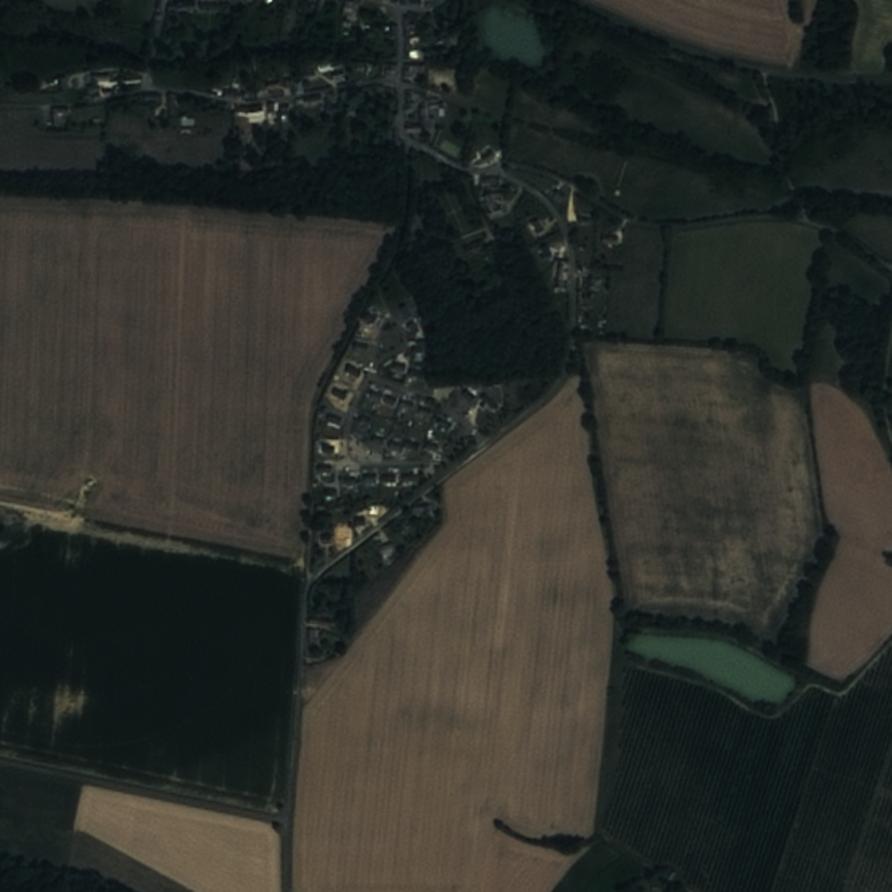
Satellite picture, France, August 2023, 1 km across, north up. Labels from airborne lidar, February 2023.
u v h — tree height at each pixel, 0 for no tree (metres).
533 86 17
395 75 0
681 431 0
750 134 0
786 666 13
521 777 0
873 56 0
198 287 0
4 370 0
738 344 8
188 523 0
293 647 0
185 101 10
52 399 0
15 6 20
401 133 0
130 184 10
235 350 0
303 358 0
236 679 0
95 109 0
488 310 24
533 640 0
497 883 0
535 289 22
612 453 0
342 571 0
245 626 0
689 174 0
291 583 0
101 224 0
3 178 12
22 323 0
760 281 0
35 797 0
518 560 0
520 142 0
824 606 0
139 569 0
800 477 0
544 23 17
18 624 0
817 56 8
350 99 17
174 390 0
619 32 13
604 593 0
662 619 10
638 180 0
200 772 0
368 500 8
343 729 0
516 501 0
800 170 0
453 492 0
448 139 0
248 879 0
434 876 0
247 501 0
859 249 11
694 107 0
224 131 0
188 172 10
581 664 0
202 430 0
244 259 0
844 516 0
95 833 0
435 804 0
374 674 0
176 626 0
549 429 0
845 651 0
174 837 0
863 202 13
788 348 0
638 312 0
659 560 0
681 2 0
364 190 20
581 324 0
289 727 0
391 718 0
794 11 13
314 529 8
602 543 0
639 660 7
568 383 0
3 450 0
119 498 0
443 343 21
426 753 0
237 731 0
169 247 0
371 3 0
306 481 0
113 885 13
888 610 0
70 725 0
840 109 30
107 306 0
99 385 0
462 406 0
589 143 7
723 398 0
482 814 0
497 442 0
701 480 0
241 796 0
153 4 0
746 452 0
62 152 0
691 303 0
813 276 15
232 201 10
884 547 0
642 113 0
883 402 12
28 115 0
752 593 0
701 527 0
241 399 0
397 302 0
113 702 0
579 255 0
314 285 0
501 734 0
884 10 0
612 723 0
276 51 13
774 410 0
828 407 0
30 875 17
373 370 0
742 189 0
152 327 0
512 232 8
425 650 0
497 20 0
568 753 0
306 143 0
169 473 0
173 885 0
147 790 0
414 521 7
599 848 0
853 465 0
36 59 0
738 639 11
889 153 0
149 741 0
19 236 0
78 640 0
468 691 0
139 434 0
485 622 0
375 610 0
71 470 0
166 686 0
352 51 11
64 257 0
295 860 0
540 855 0
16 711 0
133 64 18
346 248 0
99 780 0
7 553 0
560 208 0
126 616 0
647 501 0
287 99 0
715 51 0
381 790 0
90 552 0
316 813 0
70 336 0
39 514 0
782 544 0
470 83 17
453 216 0
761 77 12
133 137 0
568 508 0
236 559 0
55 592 0
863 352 20
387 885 0
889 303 16
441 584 0
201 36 17
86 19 18
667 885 13
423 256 24
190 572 0
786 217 12
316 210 8
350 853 0
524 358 23
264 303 0
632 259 0
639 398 0
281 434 0
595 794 0
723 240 0
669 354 0
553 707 0
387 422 0
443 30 19
